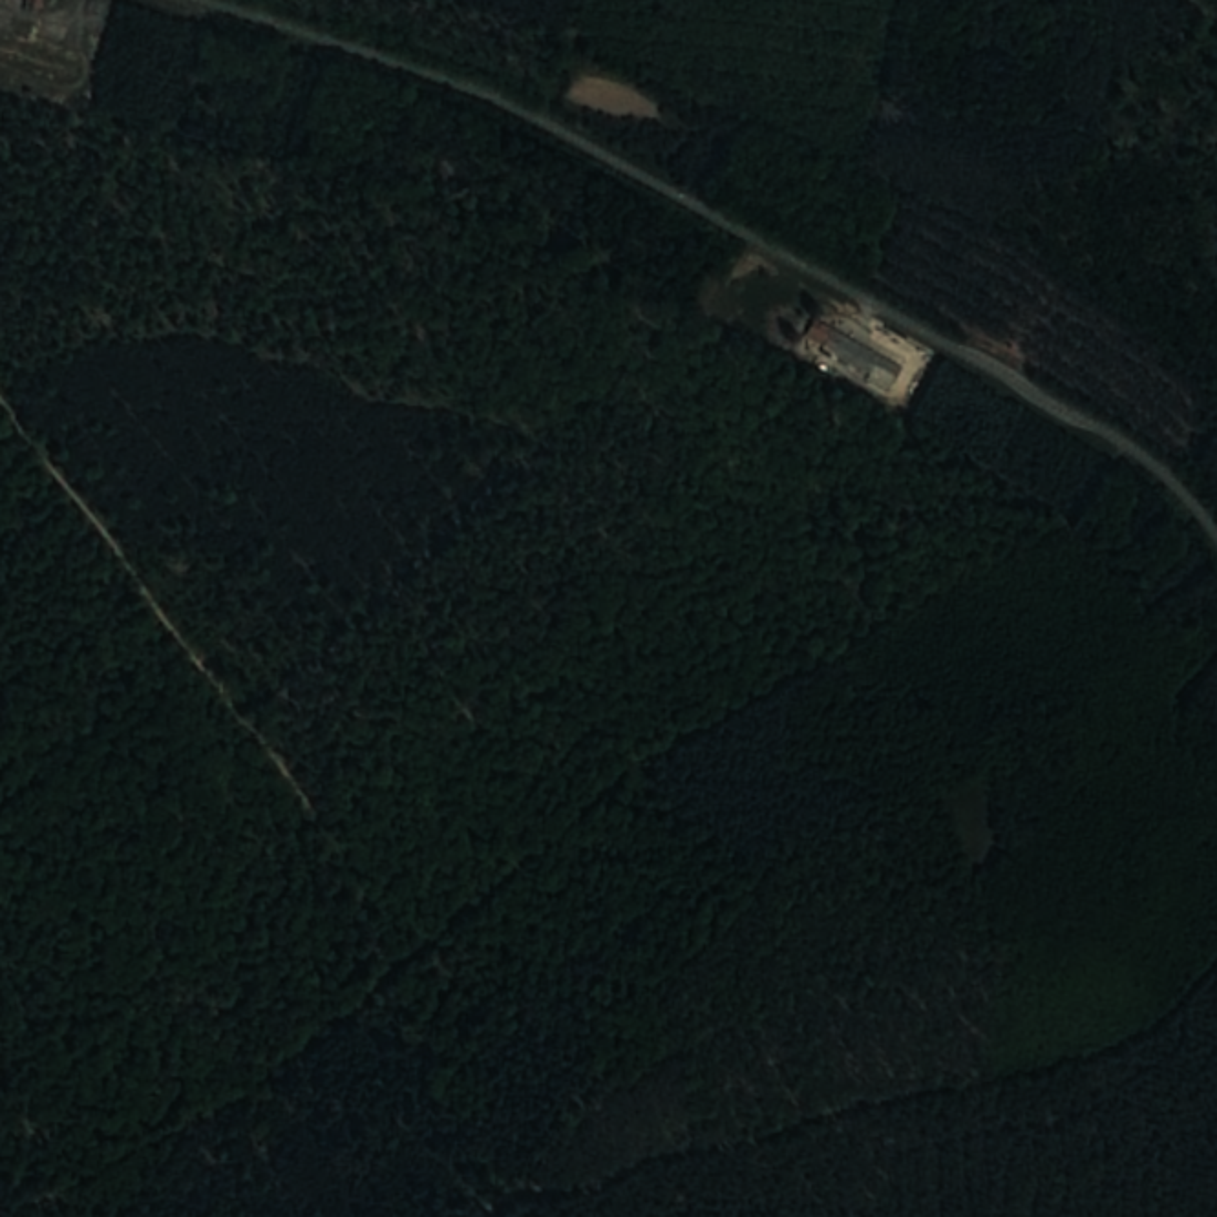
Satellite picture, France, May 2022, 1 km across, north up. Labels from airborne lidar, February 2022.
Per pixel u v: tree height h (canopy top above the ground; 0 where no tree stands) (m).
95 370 12
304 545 13
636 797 29
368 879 24
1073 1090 21
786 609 27
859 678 17
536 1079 24
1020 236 10
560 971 25
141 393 12
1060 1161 17
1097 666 17
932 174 23
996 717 20
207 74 20
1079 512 24
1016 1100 20
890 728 26
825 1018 18
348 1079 30
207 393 11
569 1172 18
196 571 8
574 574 31
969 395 11
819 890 23
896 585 28
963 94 24
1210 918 22
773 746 27
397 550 10
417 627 28
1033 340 20
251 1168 21
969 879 17
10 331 28
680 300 25
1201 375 8
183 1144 23
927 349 0
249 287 27
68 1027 28
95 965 31
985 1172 25
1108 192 8
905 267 21
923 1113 20
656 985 23
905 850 21
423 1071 25
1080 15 24
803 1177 20
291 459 13
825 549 28
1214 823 20
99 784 30
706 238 14
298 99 15
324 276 27
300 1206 21
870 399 16
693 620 29
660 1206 25
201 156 29
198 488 13
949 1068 17
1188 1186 21
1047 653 16
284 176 28
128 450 13
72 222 31
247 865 29
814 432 31
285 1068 9
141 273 26
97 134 26
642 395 28
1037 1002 9
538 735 27
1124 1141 21
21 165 25
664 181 0
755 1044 19
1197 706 28
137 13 11
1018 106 24
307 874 29
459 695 27
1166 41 9
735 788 27
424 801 24
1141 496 16
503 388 26
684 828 28
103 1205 24
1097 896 15
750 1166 21
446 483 10
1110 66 19
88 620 32
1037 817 16
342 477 11
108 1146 27
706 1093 15
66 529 28
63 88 0
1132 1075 21
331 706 31
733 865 25
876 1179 24
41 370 12
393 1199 9
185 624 8
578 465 26
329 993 24
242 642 8
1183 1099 19
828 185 31
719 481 27
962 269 20
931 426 12
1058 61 24
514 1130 25
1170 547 27
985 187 22
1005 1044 7
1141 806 18
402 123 26
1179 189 6
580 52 18
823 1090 16
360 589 11
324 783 30
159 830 30
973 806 0
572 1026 24
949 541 25
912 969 17
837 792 27
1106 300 13
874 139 24
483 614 31
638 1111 17
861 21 9
